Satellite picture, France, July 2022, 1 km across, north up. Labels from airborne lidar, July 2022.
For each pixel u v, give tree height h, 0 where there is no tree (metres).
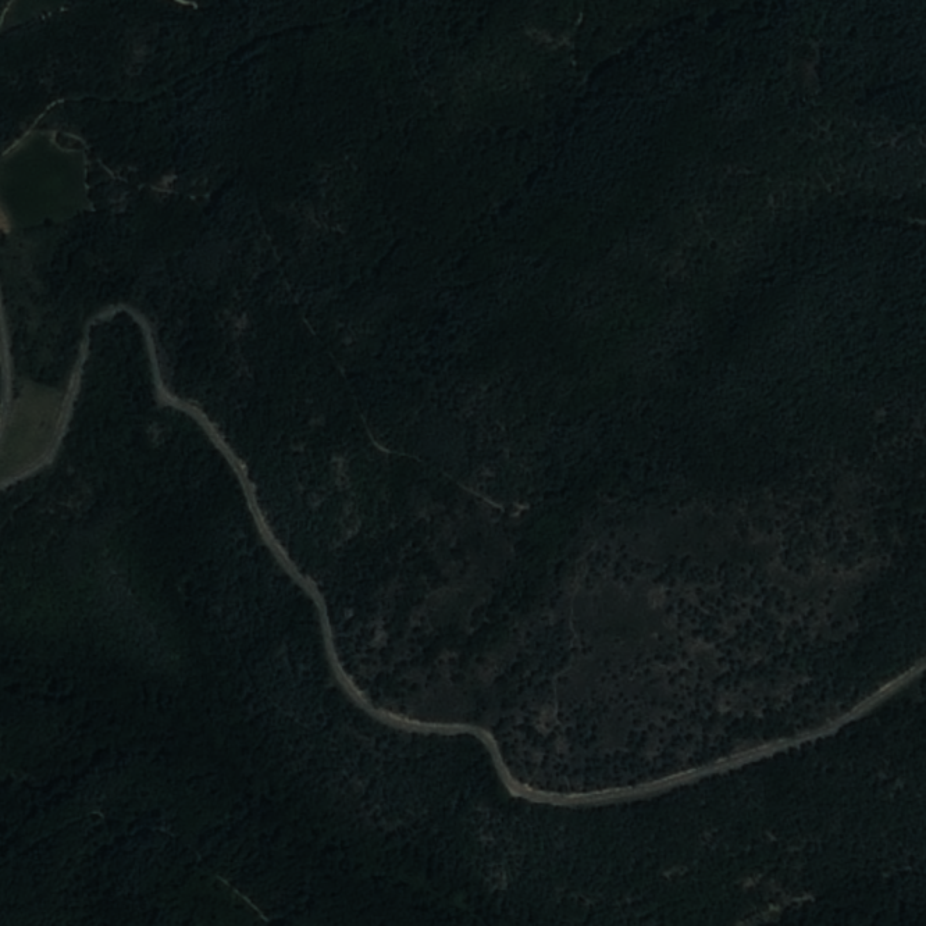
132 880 16
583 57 18
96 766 22
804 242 20
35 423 0
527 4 15
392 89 14
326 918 24
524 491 8
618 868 17
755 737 10
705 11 17
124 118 10
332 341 10
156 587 17
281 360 14
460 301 26
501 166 18
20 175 0
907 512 10
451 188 19
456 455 11
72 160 0
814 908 14
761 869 13
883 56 16
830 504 8
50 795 16
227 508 15
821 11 12
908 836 14
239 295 6
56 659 19
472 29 15
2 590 8
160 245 15
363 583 10
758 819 12
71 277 13
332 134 13
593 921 15
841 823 14
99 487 11
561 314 15
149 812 13
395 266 12
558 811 13
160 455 8
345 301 13
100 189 8
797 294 20
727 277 13
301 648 13
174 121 19
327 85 18
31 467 0
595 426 18
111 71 10
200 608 14
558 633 7
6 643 14
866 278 15
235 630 15
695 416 17
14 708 23
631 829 14
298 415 9
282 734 12
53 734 17
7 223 0
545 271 16
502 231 20
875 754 11
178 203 10
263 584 16
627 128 24
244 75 25
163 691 15
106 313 0
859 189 13
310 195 15
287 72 13
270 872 25
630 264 16
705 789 10
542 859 10
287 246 7
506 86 8
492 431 8
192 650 17
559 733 6
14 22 0
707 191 11
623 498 7
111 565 6
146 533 18
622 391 12
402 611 7
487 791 11
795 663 10
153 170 9
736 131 17
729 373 18
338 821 6
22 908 20
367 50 17
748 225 12
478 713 8
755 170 13
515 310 22
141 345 13
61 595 11
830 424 16
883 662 13
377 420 9
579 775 11
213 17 22
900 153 11
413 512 10
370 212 12
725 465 17
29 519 12
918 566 11
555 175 28
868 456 8
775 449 19
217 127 17
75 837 18
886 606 11
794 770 14
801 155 9
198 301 11
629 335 14
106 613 10
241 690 14
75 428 8
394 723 0
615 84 20
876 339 18
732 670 10
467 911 6
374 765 14
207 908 8
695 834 12
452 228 18
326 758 12
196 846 21
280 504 8
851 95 14
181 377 10
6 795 26
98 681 26
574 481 13
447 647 6
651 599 0
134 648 13
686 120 20
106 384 10
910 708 10
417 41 14
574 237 19
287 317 11
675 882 11
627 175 18
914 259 15
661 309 15
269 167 10
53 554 14
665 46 20
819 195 7
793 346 13
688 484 12
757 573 8
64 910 19
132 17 8
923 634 12
